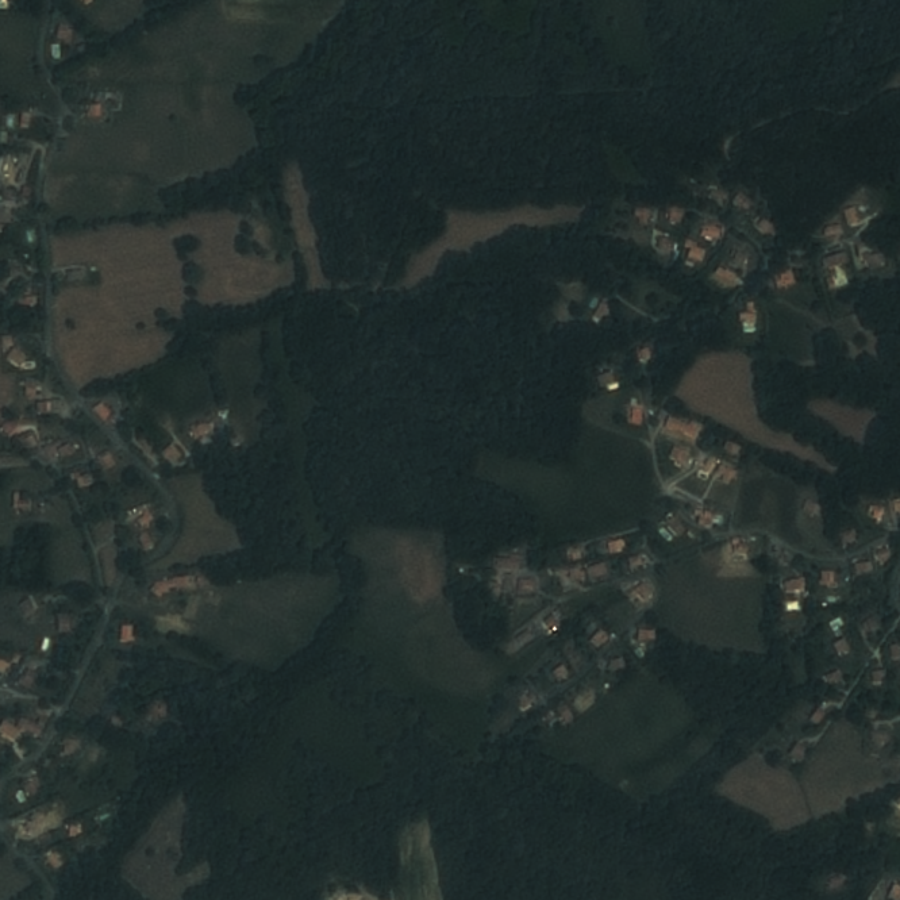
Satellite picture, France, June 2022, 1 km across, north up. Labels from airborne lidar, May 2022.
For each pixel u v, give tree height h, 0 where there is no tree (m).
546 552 8
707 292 20
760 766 0
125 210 0
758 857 14
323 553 17
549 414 24
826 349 21
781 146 9
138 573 16
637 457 0
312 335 23
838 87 11
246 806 0
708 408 0
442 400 22
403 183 20
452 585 11
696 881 21
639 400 0
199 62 0
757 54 9
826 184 13
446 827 11
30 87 0
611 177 18
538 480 0
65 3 17
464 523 23
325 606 0
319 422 22
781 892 10
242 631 0
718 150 6
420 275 0
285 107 8
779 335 0
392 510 25
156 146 0
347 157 15
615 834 16
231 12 0
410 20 12
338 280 13
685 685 12
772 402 22
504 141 14
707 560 0
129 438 6
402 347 22
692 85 11
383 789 16
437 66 10
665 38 11
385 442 20
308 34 0
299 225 0
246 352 0
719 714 11
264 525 31
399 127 22
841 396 21
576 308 15
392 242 14
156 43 0
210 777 17
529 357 20
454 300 20
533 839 18
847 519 17
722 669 22
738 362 0
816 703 13
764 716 11
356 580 24
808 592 12
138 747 27
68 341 0
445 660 0
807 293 0
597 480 0
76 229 14
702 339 21
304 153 20
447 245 0
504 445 23
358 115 7
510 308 21
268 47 0
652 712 0
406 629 0
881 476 24
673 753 0
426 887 0
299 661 16
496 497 26
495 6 0
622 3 0
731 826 14
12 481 0
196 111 0
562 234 13
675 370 24
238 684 19
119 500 8
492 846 10
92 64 17
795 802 0
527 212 0
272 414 12
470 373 21
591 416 0
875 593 12
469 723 0
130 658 8
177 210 15
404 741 13
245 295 0
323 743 0
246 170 23
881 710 10
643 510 0
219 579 17
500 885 9
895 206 0
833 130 6
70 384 0
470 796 20
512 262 28
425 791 16
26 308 15
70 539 0
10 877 0
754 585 0
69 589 16
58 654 18
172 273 0
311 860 11
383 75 18
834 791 0
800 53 14
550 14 17
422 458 27
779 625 13
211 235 0
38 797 8
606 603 0
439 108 15
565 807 22
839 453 26
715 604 0
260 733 20
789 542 0
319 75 23
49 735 0
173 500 0
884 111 16
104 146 0
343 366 16
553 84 10
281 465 14
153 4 13
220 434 16
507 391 21
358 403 19
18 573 21
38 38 0
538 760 22
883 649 10
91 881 20
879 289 21
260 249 20
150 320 0
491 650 14
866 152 10
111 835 8
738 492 0
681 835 14
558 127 7
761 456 9
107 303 0
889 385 29
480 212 14
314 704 0
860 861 15
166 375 0
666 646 8
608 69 9
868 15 12
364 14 26
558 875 8
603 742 0
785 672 13
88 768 0
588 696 0
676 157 12
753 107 14
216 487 27
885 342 19
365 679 11
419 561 0
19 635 0
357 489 18
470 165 15
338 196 9
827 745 0
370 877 8
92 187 0
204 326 17
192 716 29
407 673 0
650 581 0
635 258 17
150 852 7
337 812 15
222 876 12
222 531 0
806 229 16
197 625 0
